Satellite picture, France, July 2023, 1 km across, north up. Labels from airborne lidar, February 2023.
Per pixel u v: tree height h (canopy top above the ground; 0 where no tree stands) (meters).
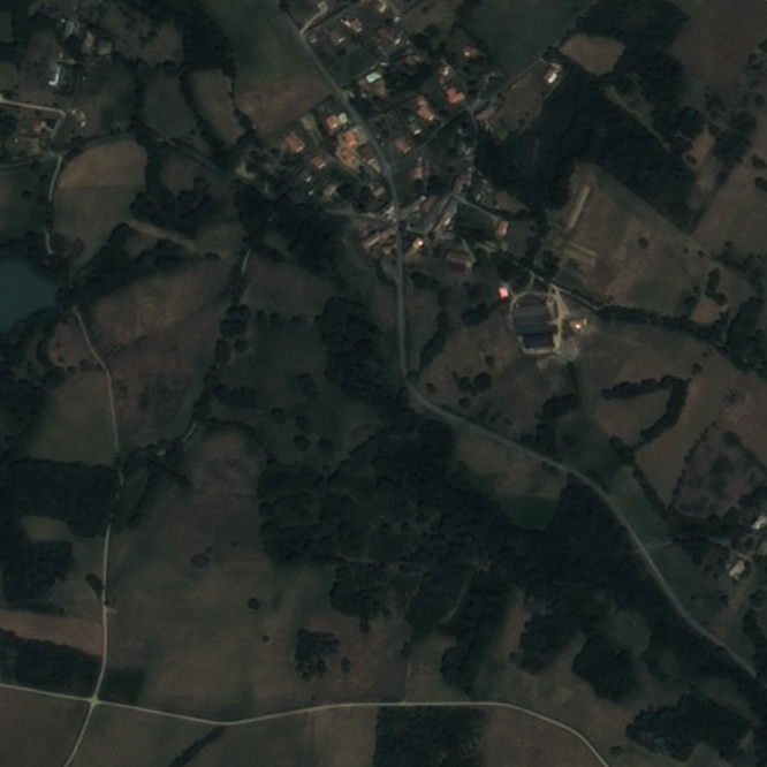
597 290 0
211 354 0
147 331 0
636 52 12
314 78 0
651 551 0
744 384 0
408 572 14
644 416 0
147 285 0
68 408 0
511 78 0
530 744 0
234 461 0
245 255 10
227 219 0
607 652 19
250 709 0
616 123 22
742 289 0
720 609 0
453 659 20
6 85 0
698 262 0
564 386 0
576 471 0
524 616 0
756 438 0
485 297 0
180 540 0
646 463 0
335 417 0
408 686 0
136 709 0
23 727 0
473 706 0
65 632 0
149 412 0
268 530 16
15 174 0
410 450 21
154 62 0
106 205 0
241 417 0
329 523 18
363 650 0
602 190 0
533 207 13
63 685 6
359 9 0
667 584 0
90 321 0
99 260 11
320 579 0
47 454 0
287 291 0
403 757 11
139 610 0
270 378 0
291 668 0
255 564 0
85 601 0
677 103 13
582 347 0
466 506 15
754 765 0
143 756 0
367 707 0
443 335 6
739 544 12
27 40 22
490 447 0
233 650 0
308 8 0
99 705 0
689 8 0
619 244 0
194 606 0
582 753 0
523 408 0
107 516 17
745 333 22
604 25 7
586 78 12
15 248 15
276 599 0
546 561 15
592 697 0
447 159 0
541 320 0
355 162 0
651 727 16
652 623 12
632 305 0
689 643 19
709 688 0
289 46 0
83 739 0
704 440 7
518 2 0
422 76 11
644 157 17
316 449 0
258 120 0
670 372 0
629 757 0
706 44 0
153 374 0
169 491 0
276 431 0
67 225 0
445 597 14
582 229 0
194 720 0
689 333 15
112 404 0
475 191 6
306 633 14
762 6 0
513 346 0
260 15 0
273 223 8
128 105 0
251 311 19
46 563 9
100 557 0
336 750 0
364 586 0
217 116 0
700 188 0
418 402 0
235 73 15
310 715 0
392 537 13
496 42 0
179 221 19
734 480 0
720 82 0
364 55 0
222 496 0
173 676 0
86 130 0
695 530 10
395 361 0
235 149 6
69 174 0
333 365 9
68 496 13
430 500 22
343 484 20
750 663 0
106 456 0
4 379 13
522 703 0
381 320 0
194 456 0
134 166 0
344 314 26
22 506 13
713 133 11
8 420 0
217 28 13
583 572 17
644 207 0
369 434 0
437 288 14
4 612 0
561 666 0
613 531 9
